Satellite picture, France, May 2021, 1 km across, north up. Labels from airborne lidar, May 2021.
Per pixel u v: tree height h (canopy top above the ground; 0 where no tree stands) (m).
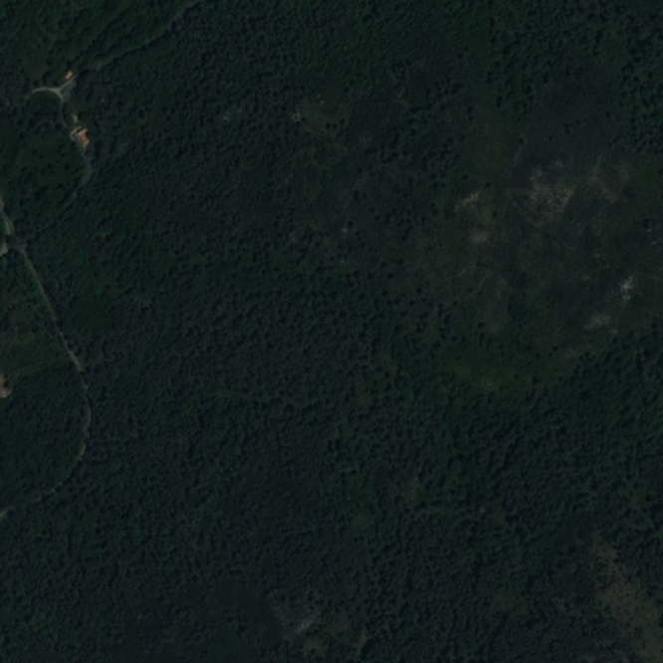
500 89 16
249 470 17
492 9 11
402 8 22
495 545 24
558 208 0
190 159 24
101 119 22
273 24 16
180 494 20
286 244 11
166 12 17
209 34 21
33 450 22
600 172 0
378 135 5
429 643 23
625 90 14
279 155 16
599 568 8
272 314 21
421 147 7
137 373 20
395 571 30
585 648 24
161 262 6
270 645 6
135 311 14
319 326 8
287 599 13
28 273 20
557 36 18
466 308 7
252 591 6
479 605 22
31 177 17
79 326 19
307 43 20
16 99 22
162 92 7
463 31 11
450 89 8
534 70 19
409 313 13
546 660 21
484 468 19
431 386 21
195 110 20
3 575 21
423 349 21
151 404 23
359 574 18
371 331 17
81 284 23
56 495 10
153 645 16
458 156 12
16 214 24
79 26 15
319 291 7
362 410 22
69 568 17
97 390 16
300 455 18
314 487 7
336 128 14
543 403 23
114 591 17
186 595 6
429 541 17
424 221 12
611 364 19
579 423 22
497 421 20
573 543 9
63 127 18
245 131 19
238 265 12
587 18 6
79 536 20
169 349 19
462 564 19
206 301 17
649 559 27
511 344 9
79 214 16
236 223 13
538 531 21
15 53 21
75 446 11
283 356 25
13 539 19
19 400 14
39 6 18
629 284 0
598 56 15
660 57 15
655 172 0
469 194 0
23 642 17
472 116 12
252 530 17
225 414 17
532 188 0
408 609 19
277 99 14
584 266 0
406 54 7
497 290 0
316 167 9
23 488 12
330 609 13
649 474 10
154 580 19
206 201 10
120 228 15
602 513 8
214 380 18
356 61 18
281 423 24
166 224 15
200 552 6
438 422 23
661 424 13
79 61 10
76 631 24
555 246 0
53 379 16
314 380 19
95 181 11
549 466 21
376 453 20
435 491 22
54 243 20
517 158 0
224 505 7
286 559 16
